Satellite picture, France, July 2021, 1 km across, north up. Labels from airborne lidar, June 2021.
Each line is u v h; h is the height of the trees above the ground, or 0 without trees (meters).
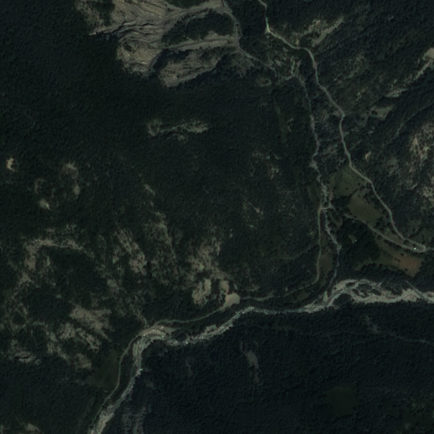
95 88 15
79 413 10
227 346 6
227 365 10
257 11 12
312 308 0
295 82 6
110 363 0
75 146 9
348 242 12
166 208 8
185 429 10
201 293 0
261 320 12
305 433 16
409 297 0
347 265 10
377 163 8
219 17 12
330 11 7
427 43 6
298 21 9
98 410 8
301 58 9
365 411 10
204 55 9
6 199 15
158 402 10
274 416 14
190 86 13
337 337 10
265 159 5
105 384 0
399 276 12
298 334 10
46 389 11
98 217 7
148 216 9
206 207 8
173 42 9
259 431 14
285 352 12
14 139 15
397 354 8
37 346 6
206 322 7
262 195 8
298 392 14
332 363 11
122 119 13
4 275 7
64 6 9
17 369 12
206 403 13
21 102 12
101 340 7
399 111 8
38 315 7
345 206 10
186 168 10
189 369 6
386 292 0
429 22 8
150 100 14
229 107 12
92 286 10
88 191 6
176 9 0
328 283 9
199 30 7
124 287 8
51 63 12
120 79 10
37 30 16
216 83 7
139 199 8
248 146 9
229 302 0
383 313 7
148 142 14
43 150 7
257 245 7
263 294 10
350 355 13
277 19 7
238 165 9
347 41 6
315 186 0
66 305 12
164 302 10
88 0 10
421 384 15
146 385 13
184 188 9
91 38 16
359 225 10
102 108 13
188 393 12
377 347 13
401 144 6
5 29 16
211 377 7
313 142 12
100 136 9
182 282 6
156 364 8
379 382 11
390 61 12
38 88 16
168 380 10
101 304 8
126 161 7
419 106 9
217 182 9
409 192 7
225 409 15
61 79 11
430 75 9
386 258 0
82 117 10
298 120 12
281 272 8
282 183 8
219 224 8
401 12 13
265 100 7
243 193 7
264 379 10
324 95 9
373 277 10
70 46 15
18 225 8
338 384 8
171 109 14
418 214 7
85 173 8
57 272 10
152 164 10
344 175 0
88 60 13
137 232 10
